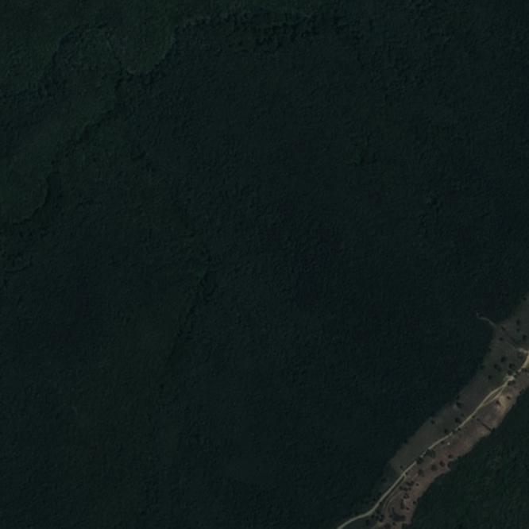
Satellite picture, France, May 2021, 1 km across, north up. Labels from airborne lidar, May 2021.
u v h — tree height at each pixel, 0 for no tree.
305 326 10
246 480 8
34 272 13
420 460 10
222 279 14
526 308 0
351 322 16
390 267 8
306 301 14
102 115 15
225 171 8
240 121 9
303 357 14
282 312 11
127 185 23
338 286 10
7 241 16
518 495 13
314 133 15
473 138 11
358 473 11
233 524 10
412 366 13
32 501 8
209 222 9
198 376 12
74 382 9
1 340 14
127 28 7
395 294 9
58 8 9
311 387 7
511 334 0
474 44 18
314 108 17
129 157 14
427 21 19
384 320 17
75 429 9
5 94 14
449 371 18
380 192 21
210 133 7
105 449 15
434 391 11
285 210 11
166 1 16
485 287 17
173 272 16
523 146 16
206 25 23
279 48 25
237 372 8
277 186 8
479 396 0
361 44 23
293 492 7
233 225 8
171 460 7
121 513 9
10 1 7
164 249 11
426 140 15
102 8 12
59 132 10
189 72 9
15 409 13
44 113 11
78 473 10
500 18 13
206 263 13
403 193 16
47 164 17
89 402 8
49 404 12
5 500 6
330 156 15
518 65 18
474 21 16
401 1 11
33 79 12
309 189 8
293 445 11
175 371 14
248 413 8
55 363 13
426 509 8
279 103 17
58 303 18
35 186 10
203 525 10
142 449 12
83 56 11
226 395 6
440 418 0
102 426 11
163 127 8
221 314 12
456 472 7
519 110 11
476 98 13
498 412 0
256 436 14
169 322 12
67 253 10
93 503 10
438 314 9
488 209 13
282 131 16
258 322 18
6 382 14
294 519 12
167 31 9
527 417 7
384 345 11
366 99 21
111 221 14
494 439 6
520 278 8
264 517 7
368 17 7
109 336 9
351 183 12
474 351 9
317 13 14
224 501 10
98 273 10
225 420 6
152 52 10
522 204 9
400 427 6
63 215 17
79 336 13
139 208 20
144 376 10
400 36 10
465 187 9
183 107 16
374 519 8
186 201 11
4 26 16
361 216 10
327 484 14
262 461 7
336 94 14
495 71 15
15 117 15
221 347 14
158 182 16
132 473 12
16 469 7
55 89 17
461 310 8
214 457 10
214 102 8
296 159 12
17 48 11
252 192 13
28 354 12
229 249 10
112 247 12
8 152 13
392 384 9
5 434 9
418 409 9
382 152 22
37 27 19
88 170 21
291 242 13
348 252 9
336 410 10
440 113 8
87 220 13
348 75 20
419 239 13
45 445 5
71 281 12
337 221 8
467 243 11
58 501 10
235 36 18
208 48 13
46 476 8
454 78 17
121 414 11
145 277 15
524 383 0
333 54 18
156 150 11
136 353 11
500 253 12
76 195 20
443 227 15
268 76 22
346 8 12
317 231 14
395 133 20
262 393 12
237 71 21
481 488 8
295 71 21
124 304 12
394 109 23
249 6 12
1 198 8
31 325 10
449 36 20
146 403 15
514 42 10
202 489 7
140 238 10
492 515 9
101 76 16
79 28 13
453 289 7
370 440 6
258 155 8
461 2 10
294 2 8
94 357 10
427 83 19
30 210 18
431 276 8
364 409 10
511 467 6
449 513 8
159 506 9
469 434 0
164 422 6
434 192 20
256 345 17
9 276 23
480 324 6
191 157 9
